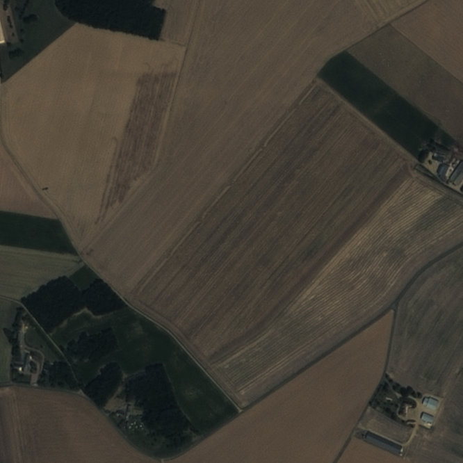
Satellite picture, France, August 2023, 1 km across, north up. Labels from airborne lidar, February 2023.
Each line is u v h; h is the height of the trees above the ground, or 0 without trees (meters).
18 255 0
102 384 17
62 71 0
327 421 0
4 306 0
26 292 0
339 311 0
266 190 0
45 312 15
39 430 0
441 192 0
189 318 0
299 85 0
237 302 0
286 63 0
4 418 0
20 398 0
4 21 0
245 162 0
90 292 12
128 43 0
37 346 0
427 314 0
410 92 0
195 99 0
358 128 0
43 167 0
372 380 0
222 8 0
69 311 10
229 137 0
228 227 0
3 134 0
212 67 0
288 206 0
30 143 0
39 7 0
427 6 0
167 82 0
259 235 0
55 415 0
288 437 0
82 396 0
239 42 0
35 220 0
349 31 0
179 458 0
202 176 0
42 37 0
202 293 0
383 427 0
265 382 0
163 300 0
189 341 0
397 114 0
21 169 0
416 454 0
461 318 0
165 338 0
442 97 0
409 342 0
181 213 0
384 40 0
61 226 0
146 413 11
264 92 0
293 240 0
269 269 0
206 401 0
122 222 0
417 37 0
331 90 0
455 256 0
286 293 0
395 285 0
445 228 0
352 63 0
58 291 14
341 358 0
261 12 0
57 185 0
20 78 0
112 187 0
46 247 0
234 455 0
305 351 0
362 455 0
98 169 0
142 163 0
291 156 0
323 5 0
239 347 0
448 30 0
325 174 0
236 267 0
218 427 0
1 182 0
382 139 0
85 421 0
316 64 0
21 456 0
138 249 0
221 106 0
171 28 0
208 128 0
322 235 0
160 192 0
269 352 0
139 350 0
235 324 0
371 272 0
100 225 0
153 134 0
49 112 0
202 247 0
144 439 0
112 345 7
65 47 0
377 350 0
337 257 0
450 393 0
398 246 0
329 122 0
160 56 0
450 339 0
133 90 0
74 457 0
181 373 0
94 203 0
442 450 0
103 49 0
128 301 0
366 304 0
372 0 0
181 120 0
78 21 10
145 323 0
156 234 0
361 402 0
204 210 0
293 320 0
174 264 0
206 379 0
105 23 13
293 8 0
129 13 14
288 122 0
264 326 0
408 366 0
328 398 0
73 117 0
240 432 0
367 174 0
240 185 0
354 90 0
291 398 0
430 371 0
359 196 0
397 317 0
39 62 0
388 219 0
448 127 0
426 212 0
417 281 0
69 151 0
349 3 0
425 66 0
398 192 0
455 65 0
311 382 0
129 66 0
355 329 0
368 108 0
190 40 0
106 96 0
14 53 7
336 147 0
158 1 0
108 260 0
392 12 0
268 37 0
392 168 0
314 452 0
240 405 0
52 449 0
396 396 0
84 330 0
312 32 0
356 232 0
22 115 0
